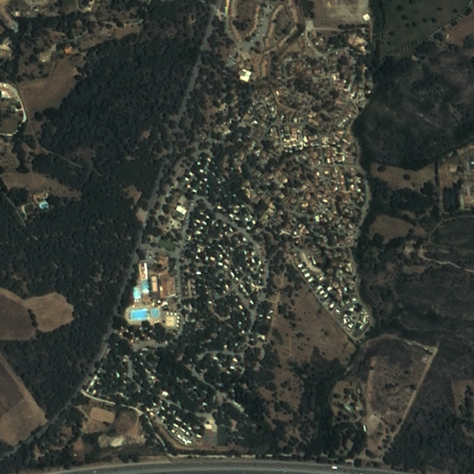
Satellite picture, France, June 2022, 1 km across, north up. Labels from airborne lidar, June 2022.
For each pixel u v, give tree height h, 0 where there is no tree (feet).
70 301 41
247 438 42
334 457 46
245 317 38
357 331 0
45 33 35
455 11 30
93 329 39
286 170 35
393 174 0
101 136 29
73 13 28
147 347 25
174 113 30
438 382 0
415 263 23
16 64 30
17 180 0
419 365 0
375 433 0
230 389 46
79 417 37
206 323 36
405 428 28
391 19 0
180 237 34
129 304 43
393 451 39
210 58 40
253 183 20
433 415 37
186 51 26
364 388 0
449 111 0
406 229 0
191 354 46
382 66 42
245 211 35
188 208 0
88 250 36
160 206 23
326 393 21
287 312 31
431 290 0
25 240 35
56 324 0
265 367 34
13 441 0
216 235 39
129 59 36
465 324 0
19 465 37
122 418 0
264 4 28
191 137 41
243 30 36
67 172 58
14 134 22
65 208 39
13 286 31
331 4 0
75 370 30
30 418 0
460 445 27
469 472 33
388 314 20
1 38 33
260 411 38
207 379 47
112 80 41
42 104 0
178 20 28
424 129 0
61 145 24
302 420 40
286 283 0
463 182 30
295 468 0
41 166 50
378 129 28
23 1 0
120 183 35
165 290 0
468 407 51
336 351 0
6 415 0
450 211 43
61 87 0
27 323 0
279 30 0
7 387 0
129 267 32
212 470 0
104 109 28
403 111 0
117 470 0
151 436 31
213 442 0
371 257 21
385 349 0
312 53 0
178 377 47
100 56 56
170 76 33
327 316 0
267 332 23
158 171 26
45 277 35
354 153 34
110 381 39
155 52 40
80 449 0
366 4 0
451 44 24
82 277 33
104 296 36
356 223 21
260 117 20
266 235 39
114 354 41
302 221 30
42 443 40
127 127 32
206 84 28
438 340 0
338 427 47
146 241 30
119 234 36
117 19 34
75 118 60
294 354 0
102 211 40
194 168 32
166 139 37
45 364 25
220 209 27
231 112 34
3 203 42
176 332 21
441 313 0
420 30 0
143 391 32
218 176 35
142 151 38
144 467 0
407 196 42
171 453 43
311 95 32
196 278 42
